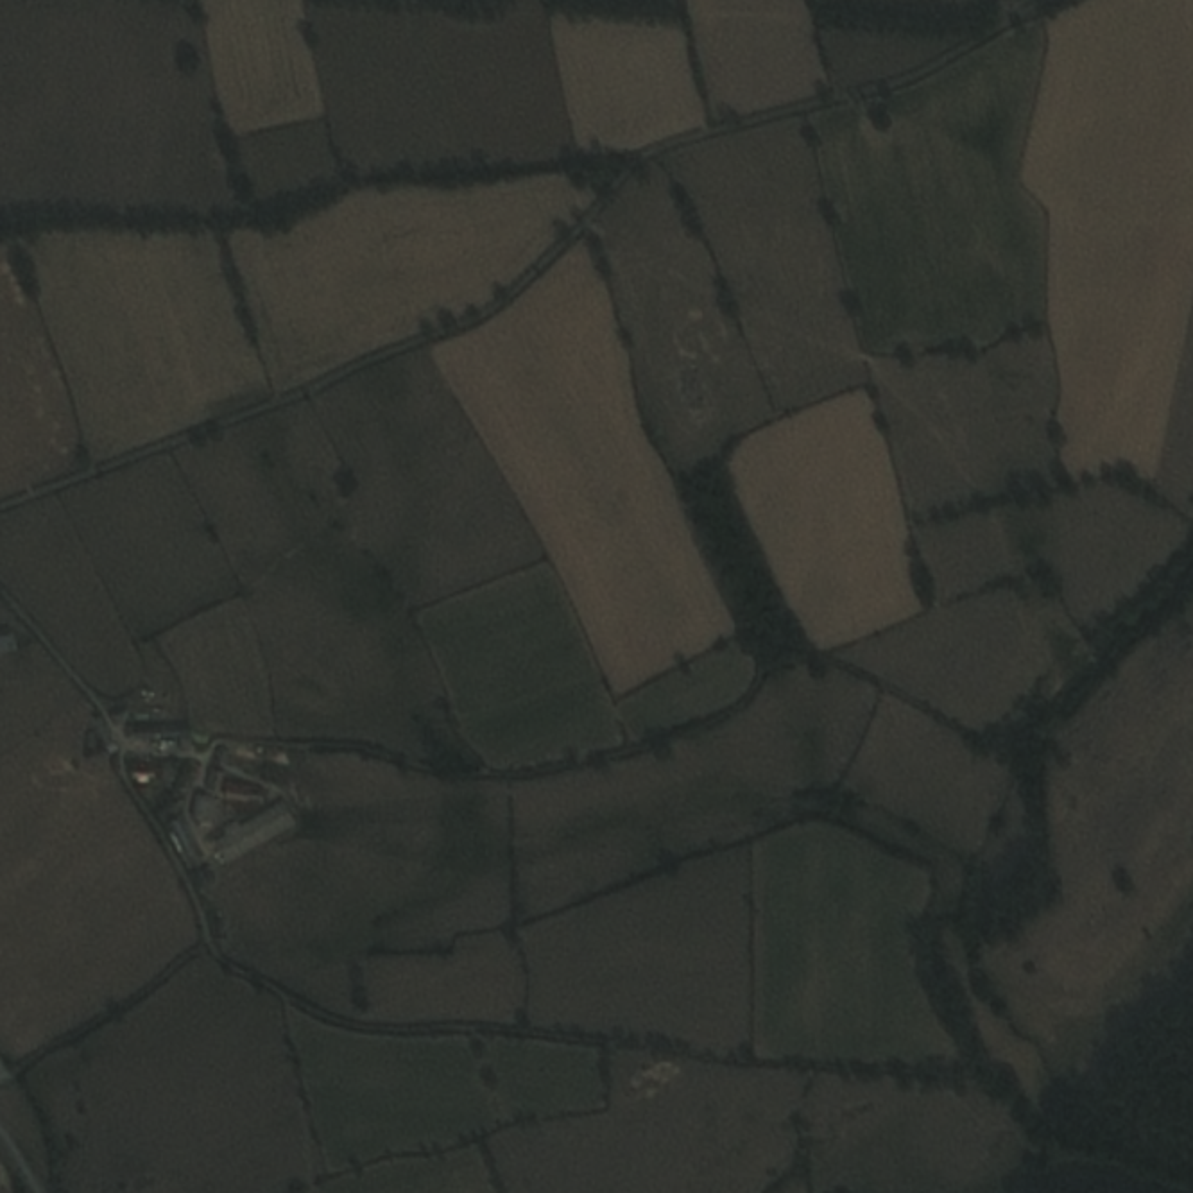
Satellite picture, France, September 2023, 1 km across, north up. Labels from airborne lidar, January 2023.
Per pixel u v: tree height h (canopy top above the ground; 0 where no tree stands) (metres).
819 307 0
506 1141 0
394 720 0
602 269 13
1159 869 0
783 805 0
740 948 0
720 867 0
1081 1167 0
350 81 0
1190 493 0
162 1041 0
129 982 0
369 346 0
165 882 0
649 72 0
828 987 0
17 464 0
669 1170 0
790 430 0
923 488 0
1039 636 0
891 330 0
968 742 13
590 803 0
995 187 0
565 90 0
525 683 0
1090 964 0
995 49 0
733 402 0
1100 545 0
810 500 0
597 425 0
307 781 0
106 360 0
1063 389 0
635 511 0
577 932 0
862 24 17
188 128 0
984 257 0
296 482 0
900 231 0
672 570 0
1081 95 0
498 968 0
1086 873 0
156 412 0
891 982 0
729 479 7
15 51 0
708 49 0
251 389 0
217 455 0
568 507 0
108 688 0
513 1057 0
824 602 0
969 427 0
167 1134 0
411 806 0
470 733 0
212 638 0
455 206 0
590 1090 0
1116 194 0
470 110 0
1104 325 0
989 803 0
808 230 0
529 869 0
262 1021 0
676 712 0
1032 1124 12
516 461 0
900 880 0
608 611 0
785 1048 0
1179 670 0
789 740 0
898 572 0
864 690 0
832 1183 0
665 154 0
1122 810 0
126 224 9
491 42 0
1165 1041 14
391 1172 0
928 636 0
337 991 0
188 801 0
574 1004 0
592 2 19
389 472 0
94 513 0
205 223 8
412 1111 0
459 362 0
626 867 0
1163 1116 20
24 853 0
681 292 0
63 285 0
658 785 0
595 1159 0
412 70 0
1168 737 0
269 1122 0
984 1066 22
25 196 0
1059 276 0
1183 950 0
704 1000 0
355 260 0
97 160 0
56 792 0
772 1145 0
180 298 0
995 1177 0
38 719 0
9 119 0
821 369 0
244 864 0
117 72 0
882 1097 0
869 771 0
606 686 8
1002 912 5
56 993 0
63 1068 0
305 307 0
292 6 0
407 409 0
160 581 0
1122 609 13
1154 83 0
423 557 0
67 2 0
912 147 0
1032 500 17
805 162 0
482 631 0
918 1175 0
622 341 11
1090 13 0
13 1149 0
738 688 0
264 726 0
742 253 0
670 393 0
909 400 0
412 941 0
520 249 0
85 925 0
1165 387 0
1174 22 0
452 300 0
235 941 0
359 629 0
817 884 0
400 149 0
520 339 0
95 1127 0
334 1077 0
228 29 0
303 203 12
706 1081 0
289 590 0
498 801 0
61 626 0
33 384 0
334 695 0
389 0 17
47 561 0
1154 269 0
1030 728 6
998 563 0
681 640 0
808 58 0
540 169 9
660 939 0
